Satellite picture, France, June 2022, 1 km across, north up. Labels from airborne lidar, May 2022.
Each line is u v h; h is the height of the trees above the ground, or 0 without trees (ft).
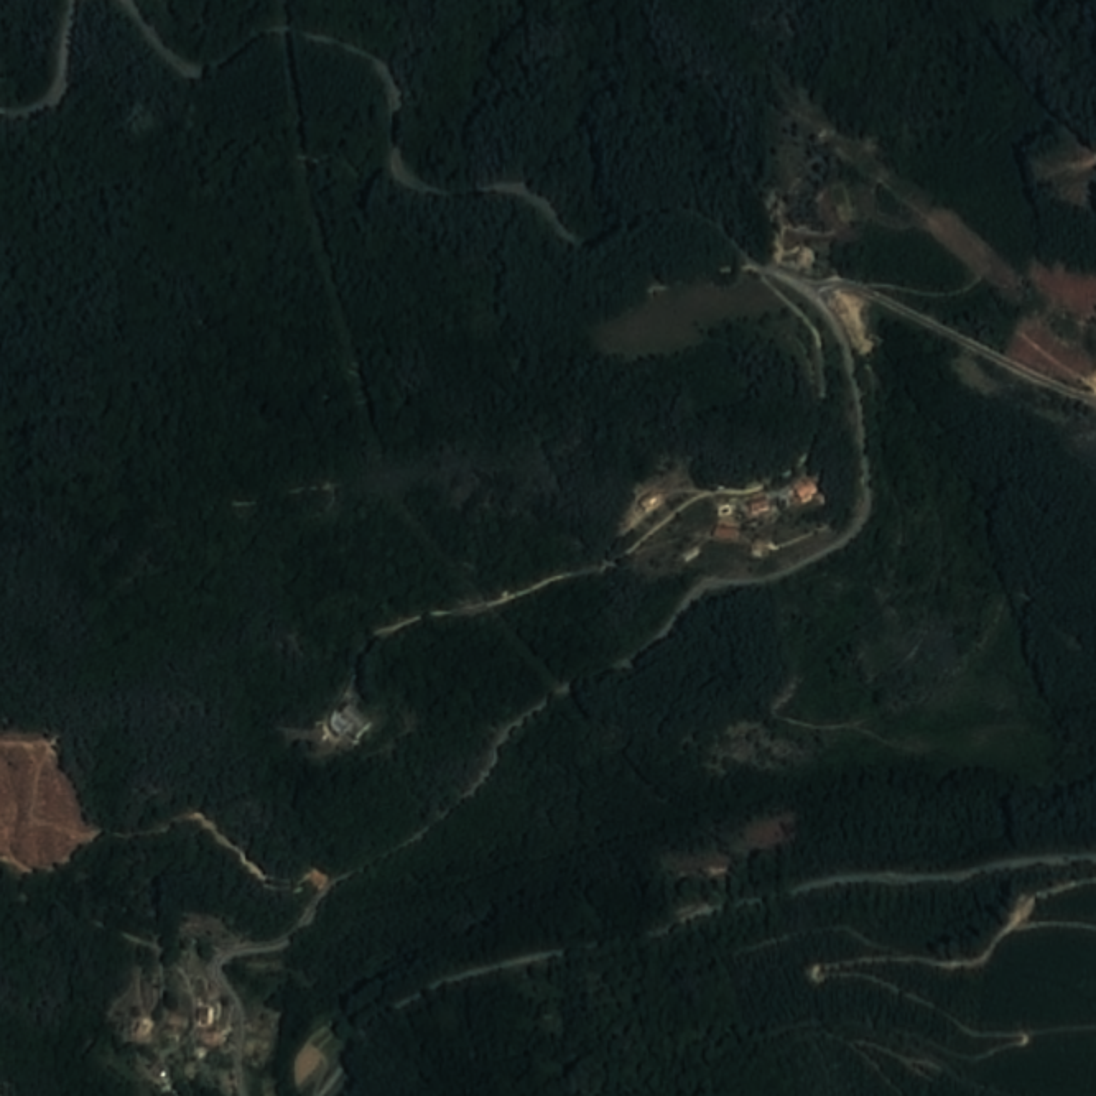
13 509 43
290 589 52
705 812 28
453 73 60
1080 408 40
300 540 54
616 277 100
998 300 41
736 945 34
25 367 63
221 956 0
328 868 55
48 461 75
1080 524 73
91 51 61
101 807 33
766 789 47
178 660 64
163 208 56
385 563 33
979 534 63
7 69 61
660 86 93
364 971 85
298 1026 85
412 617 39
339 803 46
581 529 36
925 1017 27
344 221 52
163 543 38
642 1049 31
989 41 36
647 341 0
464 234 100
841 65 127
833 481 53
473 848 45
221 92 63
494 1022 41
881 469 24
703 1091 41
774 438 50
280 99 58
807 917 31
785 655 107
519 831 47
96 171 40
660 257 92
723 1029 50
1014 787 74
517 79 83
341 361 63
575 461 25
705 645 113
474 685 34
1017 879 43
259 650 43
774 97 41
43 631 44
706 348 18
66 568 45
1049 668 80
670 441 52
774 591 20
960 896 39
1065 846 81
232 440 63
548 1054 46
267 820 39
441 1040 33
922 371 62
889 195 27
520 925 65
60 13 52
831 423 73
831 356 25
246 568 56
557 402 26
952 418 71
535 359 63
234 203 70
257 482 31
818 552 0
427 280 44
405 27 59
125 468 21
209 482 31
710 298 0
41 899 51
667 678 100
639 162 108
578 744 53
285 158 48
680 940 42
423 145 60
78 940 71
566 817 59
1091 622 80
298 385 65
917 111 52
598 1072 35
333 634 58
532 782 58
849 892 22
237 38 26
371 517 30
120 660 70
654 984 50
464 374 33
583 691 73
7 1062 51
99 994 34
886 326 40
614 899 62
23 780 0
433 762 54
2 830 0
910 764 23
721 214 98
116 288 37
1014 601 52
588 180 128
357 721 0
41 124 74
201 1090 34
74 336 33
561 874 64
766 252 38
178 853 50
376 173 54
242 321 68
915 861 29
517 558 35
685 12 54
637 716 100
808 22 79
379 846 48
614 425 43
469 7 126
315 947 54
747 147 52
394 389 54
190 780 67
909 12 54
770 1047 31
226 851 46
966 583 25
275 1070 34
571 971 58
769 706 103
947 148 42
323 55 61
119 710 66
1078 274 49
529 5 116
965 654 40
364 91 64
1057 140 87
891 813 25
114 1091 58
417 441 36
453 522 24
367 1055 70
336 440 34
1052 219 51
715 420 64
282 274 50
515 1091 51
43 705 49
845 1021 36
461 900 69
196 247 73
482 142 106
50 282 43
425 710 24
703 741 54
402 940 75
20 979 40
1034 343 0
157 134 51
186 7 66
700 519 0
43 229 81
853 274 62
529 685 37
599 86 102
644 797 70
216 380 48
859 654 40
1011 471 83
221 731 46
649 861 118
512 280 69
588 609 48
